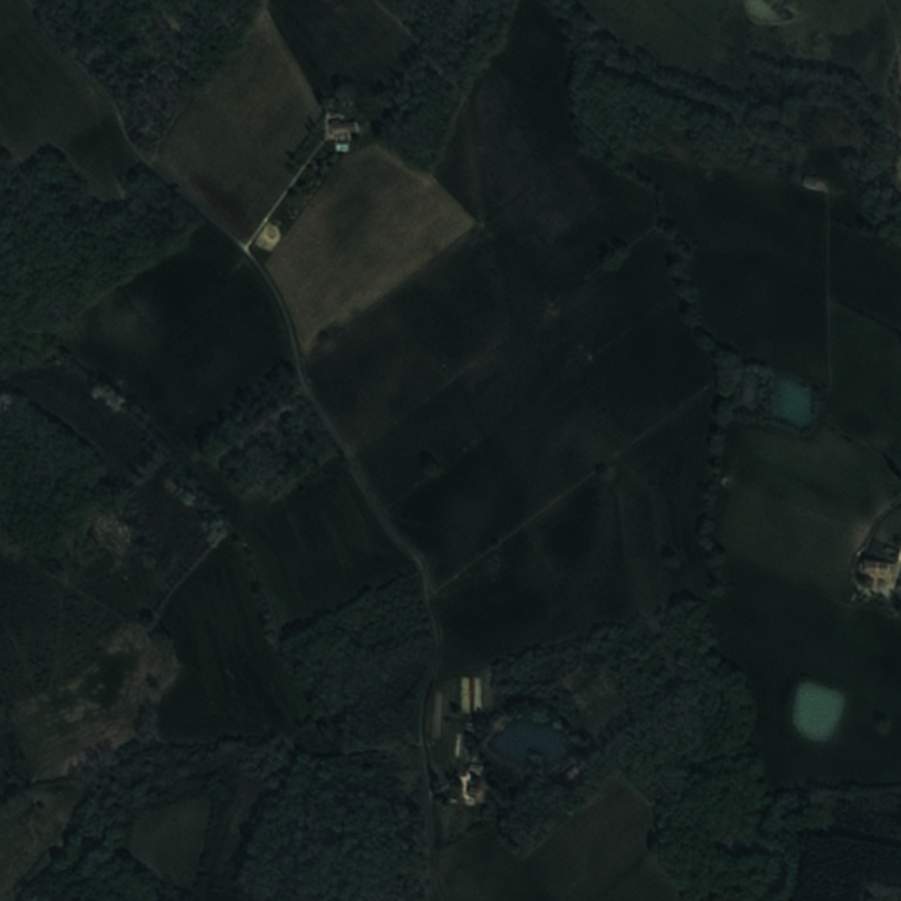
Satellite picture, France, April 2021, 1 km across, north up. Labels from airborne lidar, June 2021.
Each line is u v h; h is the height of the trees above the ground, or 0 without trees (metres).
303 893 24
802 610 0
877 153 19
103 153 0
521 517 0
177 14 18
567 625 0
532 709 12
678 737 26
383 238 0
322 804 26
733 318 0
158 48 17
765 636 0
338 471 0
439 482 0
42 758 0
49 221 19
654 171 0
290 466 13
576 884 0
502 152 0
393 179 0
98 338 0
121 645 0
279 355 0
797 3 0
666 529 0
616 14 0
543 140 0
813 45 0
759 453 0
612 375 0
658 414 0
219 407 0
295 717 0
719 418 15
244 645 0
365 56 0
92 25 23
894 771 0
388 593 9
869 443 0
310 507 0
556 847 0
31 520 25
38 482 23
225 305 0
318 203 0
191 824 0
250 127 0
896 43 0
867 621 0
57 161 19
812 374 0
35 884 6
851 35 0
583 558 0
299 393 16
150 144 13
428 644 17
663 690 11
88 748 0
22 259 19
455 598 0
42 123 0
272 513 0
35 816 12
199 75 18
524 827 21
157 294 0
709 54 0
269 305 0
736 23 0
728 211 0
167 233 27
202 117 0
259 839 24
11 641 0
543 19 0
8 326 21
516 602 0
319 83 0
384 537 0
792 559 0
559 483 0
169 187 15
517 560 0
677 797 22
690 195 0
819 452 0
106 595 0
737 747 16
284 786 15
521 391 0
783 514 0
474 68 21
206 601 0
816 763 0
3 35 0
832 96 23
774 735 0
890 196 13
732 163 18
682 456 0
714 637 19
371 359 0
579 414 0
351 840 22
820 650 0
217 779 10
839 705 0
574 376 0
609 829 0
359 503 0
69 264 25
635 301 0
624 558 0
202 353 0
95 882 26
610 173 0
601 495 0
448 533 0
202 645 0
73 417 0
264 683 0
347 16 0
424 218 0
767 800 15
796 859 23
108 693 0
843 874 16
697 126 18
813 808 26
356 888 19
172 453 16
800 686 0
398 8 20
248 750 9
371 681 22
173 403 0
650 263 0
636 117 20
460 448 0
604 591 0
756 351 0
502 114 0
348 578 0
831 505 0
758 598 0
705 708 17
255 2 19
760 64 12
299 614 0
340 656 19
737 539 0
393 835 20
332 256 0
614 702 0
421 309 0
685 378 0
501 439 0
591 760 22
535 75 0
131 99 16
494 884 0
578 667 9
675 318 0
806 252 0
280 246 0
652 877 0
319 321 0
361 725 21
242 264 0
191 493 29
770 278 0
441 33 20
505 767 0
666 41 0
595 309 0
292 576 0
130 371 0
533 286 0
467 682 0
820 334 0
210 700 0
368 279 0
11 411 23
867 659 0
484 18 21
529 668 10
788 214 0
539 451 0
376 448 0
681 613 16
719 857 30
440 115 22
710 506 9
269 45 0
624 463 0
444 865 0
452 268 0
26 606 0
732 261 0
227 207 0
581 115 12
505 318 0
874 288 0
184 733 0
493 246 0
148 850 0
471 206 0
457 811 0
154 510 0
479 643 0
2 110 0
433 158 22
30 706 0
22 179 20
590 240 0
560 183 0
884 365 0
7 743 14
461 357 0
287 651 16
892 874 13
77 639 0
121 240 19
